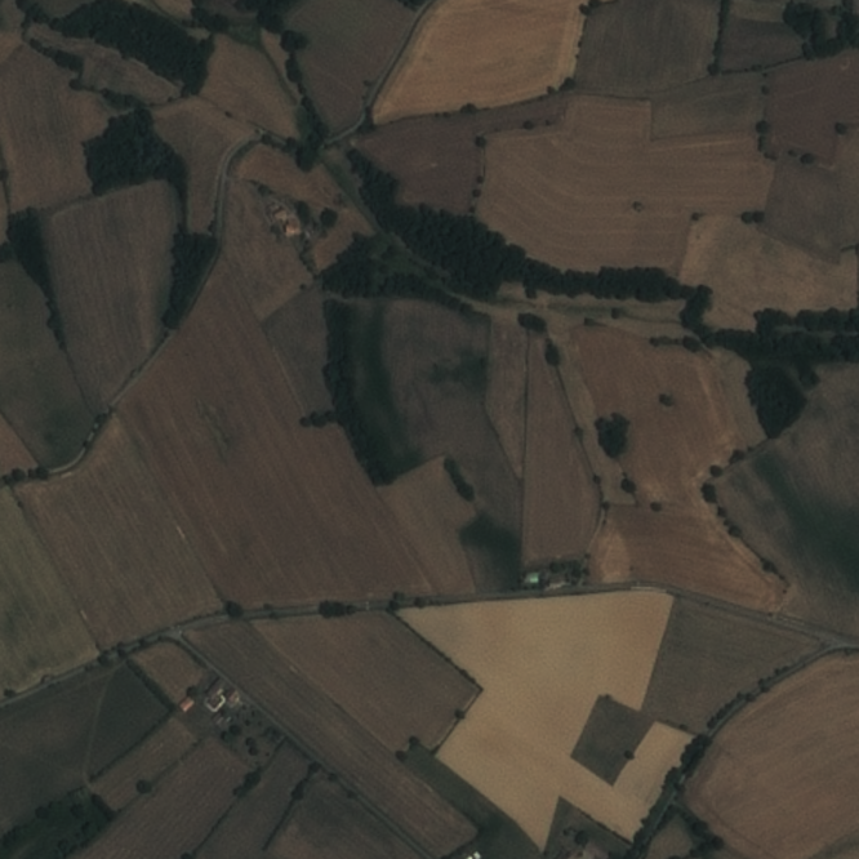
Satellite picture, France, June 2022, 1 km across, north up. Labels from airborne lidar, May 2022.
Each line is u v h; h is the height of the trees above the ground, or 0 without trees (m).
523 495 0
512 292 0
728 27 7
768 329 23
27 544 0
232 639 0
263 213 0
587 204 0
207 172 0
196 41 13
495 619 0
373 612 0
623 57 0
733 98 0
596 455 0
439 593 0
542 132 0
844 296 0
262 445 0
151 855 0
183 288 17
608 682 0
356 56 0
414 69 0
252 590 0
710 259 0
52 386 0
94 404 0
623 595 0
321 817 0
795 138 0
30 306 0
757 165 0
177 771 0
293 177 0
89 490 0
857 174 0
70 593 0
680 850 0
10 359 0
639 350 0
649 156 0
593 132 0
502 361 0
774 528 0
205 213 0
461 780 0
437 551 0
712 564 0
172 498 0
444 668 0
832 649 0
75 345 0
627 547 0
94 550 0
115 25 17
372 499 0
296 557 0
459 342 0
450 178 0
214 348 0
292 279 0
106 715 0
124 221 0
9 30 0
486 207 0
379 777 0
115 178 16
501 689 0
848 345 25
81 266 0
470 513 0
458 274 21
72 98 0
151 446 0
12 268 0
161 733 0
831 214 0
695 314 24
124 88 0
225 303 0
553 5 0
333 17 0
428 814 0
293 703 0
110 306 0
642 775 0
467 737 0
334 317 7
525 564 0
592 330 0
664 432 0
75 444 0
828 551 0
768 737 0
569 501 0
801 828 0
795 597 0
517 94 0
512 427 0
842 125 10
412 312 0
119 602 0
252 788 8
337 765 0
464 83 0
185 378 0
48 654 0
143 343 0
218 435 0
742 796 0
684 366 0
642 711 0
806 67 0
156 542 0
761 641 0
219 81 0
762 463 0
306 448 0
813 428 0
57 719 0
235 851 0
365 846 0
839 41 14
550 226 0
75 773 0
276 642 0
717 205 0
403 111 0
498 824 0
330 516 0
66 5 0
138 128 9
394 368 0
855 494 0
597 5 10
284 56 0
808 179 0
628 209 0
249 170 0
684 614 0
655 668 0
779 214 0
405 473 0
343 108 0
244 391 0
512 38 0
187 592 0
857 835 0
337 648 0
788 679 0
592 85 0
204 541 0
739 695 8
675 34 0
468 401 0
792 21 17
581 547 0
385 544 0
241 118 0
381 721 0
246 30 0
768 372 6
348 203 20
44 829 0
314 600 0
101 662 12
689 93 0
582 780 0
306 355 0
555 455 0
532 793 0
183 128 0
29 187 0
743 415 0
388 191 14
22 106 0
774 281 0
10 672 0
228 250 0
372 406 0
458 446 0
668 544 0
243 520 0
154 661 0
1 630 0
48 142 0
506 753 0
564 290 15
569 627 0
